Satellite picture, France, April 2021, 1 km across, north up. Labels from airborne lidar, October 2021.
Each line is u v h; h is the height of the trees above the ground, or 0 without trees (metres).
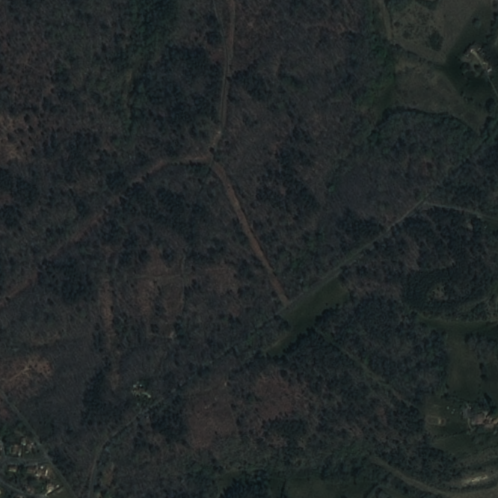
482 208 16
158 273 0
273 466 18
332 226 15
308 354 22
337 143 15
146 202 27
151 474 16
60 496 0
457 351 0
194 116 16
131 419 9
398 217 13
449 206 18
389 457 15
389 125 28
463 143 22
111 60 12
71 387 16
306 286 8
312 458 22
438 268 15
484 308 16
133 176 17
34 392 15
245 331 11
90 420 8
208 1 10
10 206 6
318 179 18
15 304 12
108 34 26
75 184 21
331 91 13
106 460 12
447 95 0
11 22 6
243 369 12
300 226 31
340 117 17
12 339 14
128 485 12
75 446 15
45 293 13
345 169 20
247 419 15
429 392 21
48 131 9
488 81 7
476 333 0
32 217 16
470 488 9
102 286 10
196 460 12
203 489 15
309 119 12
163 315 10
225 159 13
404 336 26
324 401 17
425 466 16
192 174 11
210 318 7
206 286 11
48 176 18
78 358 15
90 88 18
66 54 18
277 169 8
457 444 0
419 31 0
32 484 19
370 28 24
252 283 25
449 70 0
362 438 12
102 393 16
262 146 9
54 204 21
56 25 10
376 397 15
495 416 18
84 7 21
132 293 10
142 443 16
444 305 11
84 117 16
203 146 14
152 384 14
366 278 29
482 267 25
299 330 0
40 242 13
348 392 16
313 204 29
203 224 18
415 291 16
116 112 20
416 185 18
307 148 12
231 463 11
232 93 13
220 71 22
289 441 20
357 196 16
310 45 15
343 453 20
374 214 12
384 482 14
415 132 15
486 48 7
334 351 20
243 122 11
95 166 17
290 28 20
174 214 27
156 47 24
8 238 13
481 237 27
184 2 21
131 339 12
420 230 24
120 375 14
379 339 26
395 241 13
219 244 11
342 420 23
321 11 16
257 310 15
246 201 28
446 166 20
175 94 22
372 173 18
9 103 17
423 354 27
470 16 0
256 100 28
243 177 10
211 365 11
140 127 15
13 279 17
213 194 15
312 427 15
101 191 18
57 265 16
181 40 6
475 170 16
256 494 26
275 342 17
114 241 24
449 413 0
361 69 22
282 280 12
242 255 11
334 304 0
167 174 12
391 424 25
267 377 18
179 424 18
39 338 18
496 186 24
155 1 26
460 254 23
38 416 11
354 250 20
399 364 11
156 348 11
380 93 11
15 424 9
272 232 13
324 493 0
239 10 8
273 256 13
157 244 10
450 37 0
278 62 19
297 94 20
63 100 23
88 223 16
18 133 14
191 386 24
